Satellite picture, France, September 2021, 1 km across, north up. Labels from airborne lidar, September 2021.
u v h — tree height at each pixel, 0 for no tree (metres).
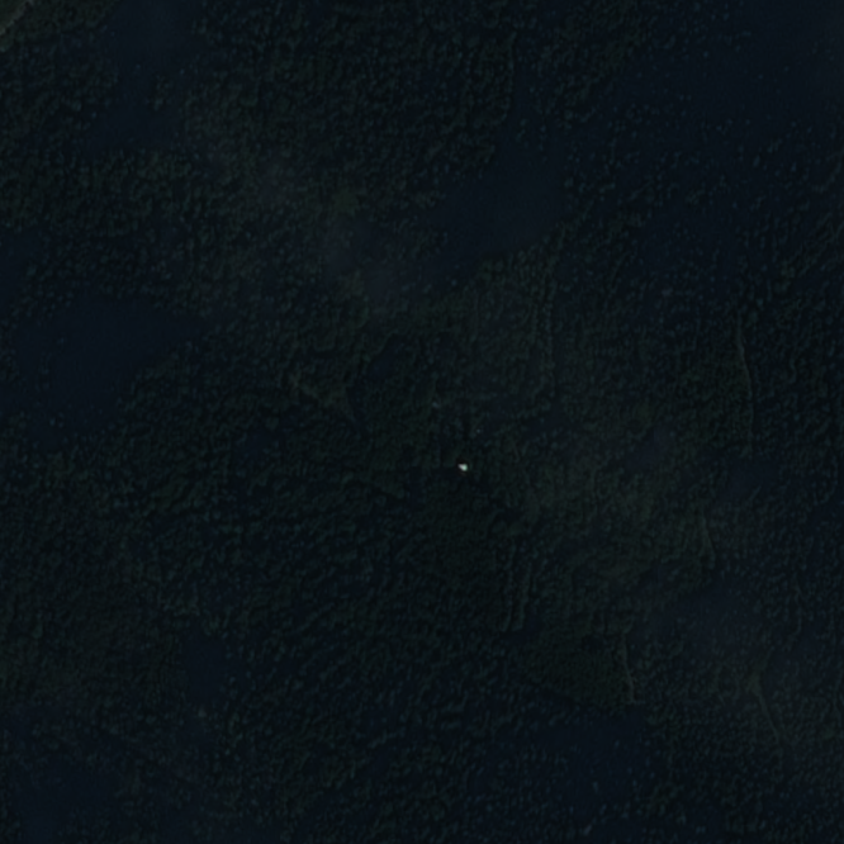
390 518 24
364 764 23
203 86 8
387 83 21
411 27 19
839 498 8
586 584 25
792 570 18
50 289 21
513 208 16
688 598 24
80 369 18
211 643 7
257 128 24
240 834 15
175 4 7
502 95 17
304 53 9
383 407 27
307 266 25
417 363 19
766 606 24
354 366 20
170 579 19
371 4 22
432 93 24
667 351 25
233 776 9
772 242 25
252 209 23
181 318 24
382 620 20
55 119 19
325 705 20
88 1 12
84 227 28
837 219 32
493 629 17
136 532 15
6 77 24
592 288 23
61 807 6
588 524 8
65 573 27
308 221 27
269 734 22
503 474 28
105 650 20
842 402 27
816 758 26
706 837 8
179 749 10
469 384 8
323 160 22
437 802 26
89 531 17
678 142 23
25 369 10
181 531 23
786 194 26
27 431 15
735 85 22
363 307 17
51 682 24
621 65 23
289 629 27
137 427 27
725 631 27
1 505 29
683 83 10
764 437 13
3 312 13
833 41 18
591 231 22
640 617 18
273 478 19
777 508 28
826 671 30
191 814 9
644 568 25
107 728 16
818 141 27
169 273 8
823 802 20
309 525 27
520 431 20
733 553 20
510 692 22
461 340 8
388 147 19
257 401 27
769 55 18
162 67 12
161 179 7
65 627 21
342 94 17
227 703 24
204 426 29
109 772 15
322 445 25
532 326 17
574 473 17
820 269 28
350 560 36
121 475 23
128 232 27
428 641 28
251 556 24
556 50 22
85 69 23
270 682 25
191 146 6
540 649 28
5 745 14
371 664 29
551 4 21
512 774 26
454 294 7
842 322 26
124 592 22
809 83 22
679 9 17
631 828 12
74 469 17
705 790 11
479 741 17
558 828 28
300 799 22
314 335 26
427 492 28
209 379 29
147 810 25
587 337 19
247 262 21
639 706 13
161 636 22
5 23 7
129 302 26
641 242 16
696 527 17
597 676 26
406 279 16
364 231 0
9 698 26
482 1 16
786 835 25
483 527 22
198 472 18
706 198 31
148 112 21
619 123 23
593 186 24
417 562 24
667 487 21
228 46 22
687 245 28
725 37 9
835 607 26
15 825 11
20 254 18
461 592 19
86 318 20
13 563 27
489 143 18
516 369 23
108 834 23
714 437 21
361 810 18
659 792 17
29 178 24
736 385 22
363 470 25
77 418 25
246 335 22
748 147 18
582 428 25
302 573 30
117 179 21
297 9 26
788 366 20
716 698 8
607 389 19
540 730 25
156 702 12
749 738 28
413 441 28
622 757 29
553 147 20
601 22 24
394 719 16
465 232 30
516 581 5
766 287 22
